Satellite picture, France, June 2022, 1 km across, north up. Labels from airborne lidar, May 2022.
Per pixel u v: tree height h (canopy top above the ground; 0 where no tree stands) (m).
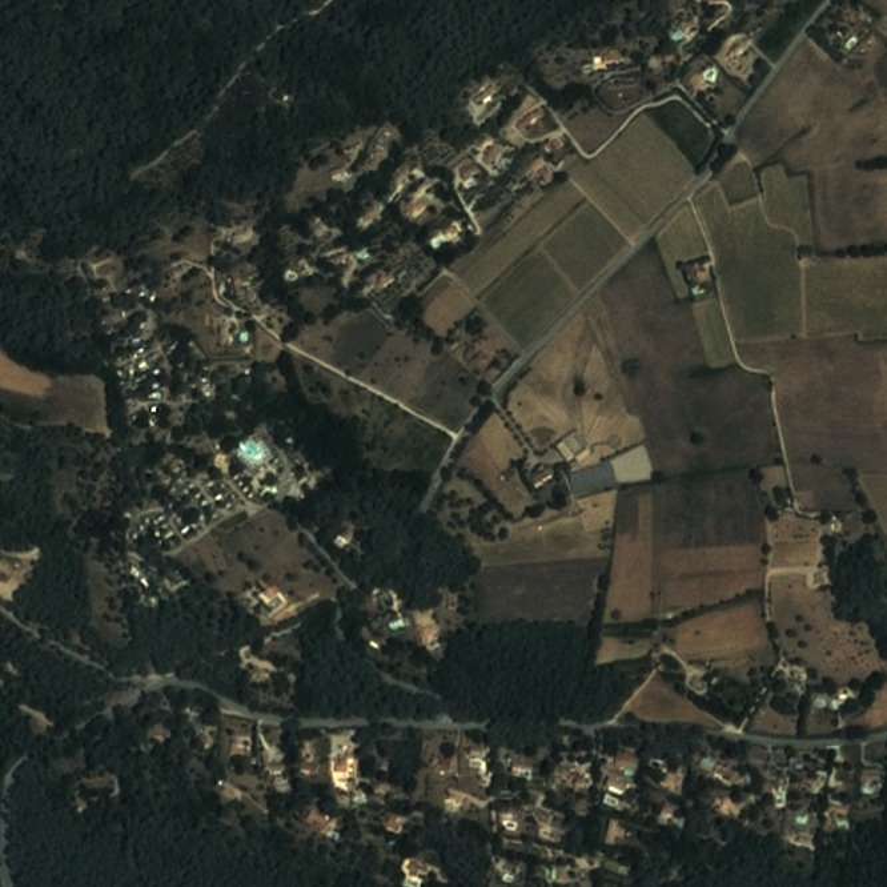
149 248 23
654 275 0
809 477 0
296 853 9
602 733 8
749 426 0
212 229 6
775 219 0
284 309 9
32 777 16
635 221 0
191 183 20
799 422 0
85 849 18
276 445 9
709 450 0
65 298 19
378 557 21
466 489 0
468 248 11
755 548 0
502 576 0
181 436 14
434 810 15
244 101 6
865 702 12
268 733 5
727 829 21
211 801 12
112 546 12
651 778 9
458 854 21
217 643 20
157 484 20
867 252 16
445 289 0
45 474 18
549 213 0
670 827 6
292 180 24
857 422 0
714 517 0
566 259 0
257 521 0
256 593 6
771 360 0
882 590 21
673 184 0
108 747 20
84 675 18
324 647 21
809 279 0
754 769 9
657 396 0
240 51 25
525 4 17
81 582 16
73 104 22
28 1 21
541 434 0
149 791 16
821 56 0
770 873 19
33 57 19
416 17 5
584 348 0
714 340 0
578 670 17
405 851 16
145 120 16
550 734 21
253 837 21
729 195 0
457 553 24
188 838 18
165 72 6
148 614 18
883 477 0
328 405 12
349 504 21
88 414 0
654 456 0
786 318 0
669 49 21
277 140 14
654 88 13
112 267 0
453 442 0
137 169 19
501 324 0
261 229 13
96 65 23
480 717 16
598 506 0
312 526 13
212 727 23
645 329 0
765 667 9
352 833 20
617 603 0
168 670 19
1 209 17
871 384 0
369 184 14
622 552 0
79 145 18
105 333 20
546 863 12
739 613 0
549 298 0
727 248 0
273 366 8
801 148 0
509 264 0
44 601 17
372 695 22
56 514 17
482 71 15
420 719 12
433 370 0
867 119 0
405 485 15
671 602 0
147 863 21
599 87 6
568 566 0
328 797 15
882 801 12
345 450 16
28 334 15
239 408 14
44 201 25
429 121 6
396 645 19
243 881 21
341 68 13
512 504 0
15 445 14
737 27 8
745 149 0
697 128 0
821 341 0
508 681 15
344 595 11
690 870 15
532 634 16
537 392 0
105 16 23
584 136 0
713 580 0
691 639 0
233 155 8
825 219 0
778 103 0
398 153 16
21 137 22
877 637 14
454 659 14
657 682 0
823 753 8
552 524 0
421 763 17
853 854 9
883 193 0
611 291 0
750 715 9
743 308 0
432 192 8
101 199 23
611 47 12
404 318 12
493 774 15
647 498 0
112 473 11
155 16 19
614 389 0
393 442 0
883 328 0
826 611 0
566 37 22
